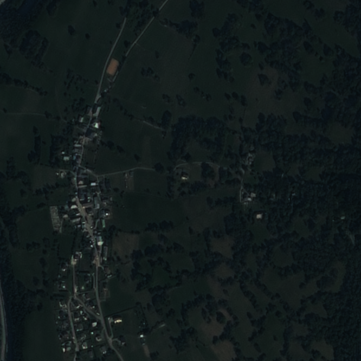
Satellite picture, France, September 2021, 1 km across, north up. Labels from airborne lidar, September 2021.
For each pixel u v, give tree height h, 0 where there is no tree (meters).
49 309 0
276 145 21
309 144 20
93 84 0
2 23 22
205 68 0
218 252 0
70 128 9
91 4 0
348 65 18
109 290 0
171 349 11
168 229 18
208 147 22
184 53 0
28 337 0
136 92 0
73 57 0
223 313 0
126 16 13
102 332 0
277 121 18
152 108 0
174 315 9
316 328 24
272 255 22
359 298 25
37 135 15
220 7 0
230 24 15
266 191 21
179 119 0
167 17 0
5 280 18
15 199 0
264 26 0
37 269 0
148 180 0
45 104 0
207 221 0
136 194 0
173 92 0
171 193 19
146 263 0
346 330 23
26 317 15
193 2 0
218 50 0
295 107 0
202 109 0
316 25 0
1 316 0
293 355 0
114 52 0
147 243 0
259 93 0
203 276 14
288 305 14
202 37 0
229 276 0
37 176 0
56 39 0
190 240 0
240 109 0
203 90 0
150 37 0
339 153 10
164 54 0
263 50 18
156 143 0
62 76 0
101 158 0
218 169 0
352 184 25
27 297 15
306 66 0
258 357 0
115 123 0
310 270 25
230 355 0
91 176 0
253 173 7
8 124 0
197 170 0
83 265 0
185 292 0
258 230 0
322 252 21
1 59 0
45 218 0
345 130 11
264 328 9
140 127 0
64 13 0
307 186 13
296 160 24
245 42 0
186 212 0
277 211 17
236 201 9
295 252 30
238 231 23
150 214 0
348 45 0
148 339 0
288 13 0
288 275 22
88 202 0
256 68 0
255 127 0
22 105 0
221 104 0
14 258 0
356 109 19
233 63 0
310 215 25
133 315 0
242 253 21
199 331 0
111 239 11
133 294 0
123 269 0
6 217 14
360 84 21
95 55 0
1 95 0
